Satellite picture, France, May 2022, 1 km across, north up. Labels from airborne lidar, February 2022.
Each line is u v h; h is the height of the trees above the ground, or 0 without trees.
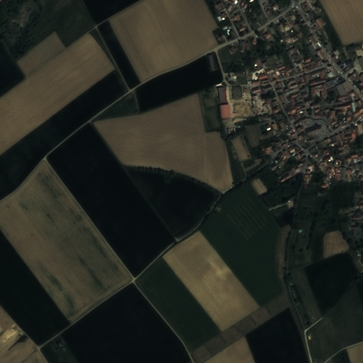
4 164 0
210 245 0
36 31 0
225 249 0
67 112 0
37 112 0
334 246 0
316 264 0
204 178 0
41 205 0
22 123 0
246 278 0
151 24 0
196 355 0
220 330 0
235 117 0
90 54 0
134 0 0
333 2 0
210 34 0
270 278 0
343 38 0
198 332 0
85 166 0
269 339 0
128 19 0
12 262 0
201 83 0
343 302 0
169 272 0
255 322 0
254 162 0
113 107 0
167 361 0
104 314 0
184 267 0
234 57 0
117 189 0
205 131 0
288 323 0
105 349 0
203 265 0
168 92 0
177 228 0
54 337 0
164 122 0
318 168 10
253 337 0
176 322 0
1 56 0
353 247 9
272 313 0
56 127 0
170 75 0
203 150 0
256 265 0
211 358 0
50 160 0
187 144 0
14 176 0
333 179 11
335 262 0
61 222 0
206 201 0
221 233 0
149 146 0
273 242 0
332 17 0
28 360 0
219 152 0
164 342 0
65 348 0
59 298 0
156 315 0
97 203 0
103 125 0
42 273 0
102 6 0
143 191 0
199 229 0
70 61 0
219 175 0
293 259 0
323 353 0
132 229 0
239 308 0
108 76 0
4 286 0
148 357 0
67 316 0
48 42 0
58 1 0
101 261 0
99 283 0
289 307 0
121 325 0
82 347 0
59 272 0
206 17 0
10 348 0
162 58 0
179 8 0
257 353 0
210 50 0
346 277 0
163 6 0
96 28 0
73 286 0
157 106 0
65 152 0
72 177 0
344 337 0
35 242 0
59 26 0
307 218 6
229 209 0
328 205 16
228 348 0
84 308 0
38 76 0
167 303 0
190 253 0
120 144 0
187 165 0
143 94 0
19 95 0
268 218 0
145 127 0
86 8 0
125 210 0
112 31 0
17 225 0
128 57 0
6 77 0
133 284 0
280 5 0
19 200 0
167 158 0
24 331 0
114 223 0
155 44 0
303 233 0
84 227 0
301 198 0
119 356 0
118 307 0
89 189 0
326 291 0
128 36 0
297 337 0
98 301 0
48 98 0
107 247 0
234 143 0
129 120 0
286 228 0
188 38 0
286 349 0
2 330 0
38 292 0
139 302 0
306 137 0
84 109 0
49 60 0
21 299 0
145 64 0
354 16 0
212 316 0
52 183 0
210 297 0
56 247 0
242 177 0
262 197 12
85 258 0
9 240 0
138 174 0
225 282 0
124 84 0
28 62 0
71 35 0
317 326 0
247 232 0
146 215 0
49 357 0
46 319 0
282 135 0
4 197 0
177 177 0
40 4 0
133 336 0
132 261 0
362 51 0
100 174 0
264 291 0
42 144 0
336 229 0
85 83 0
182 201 0
